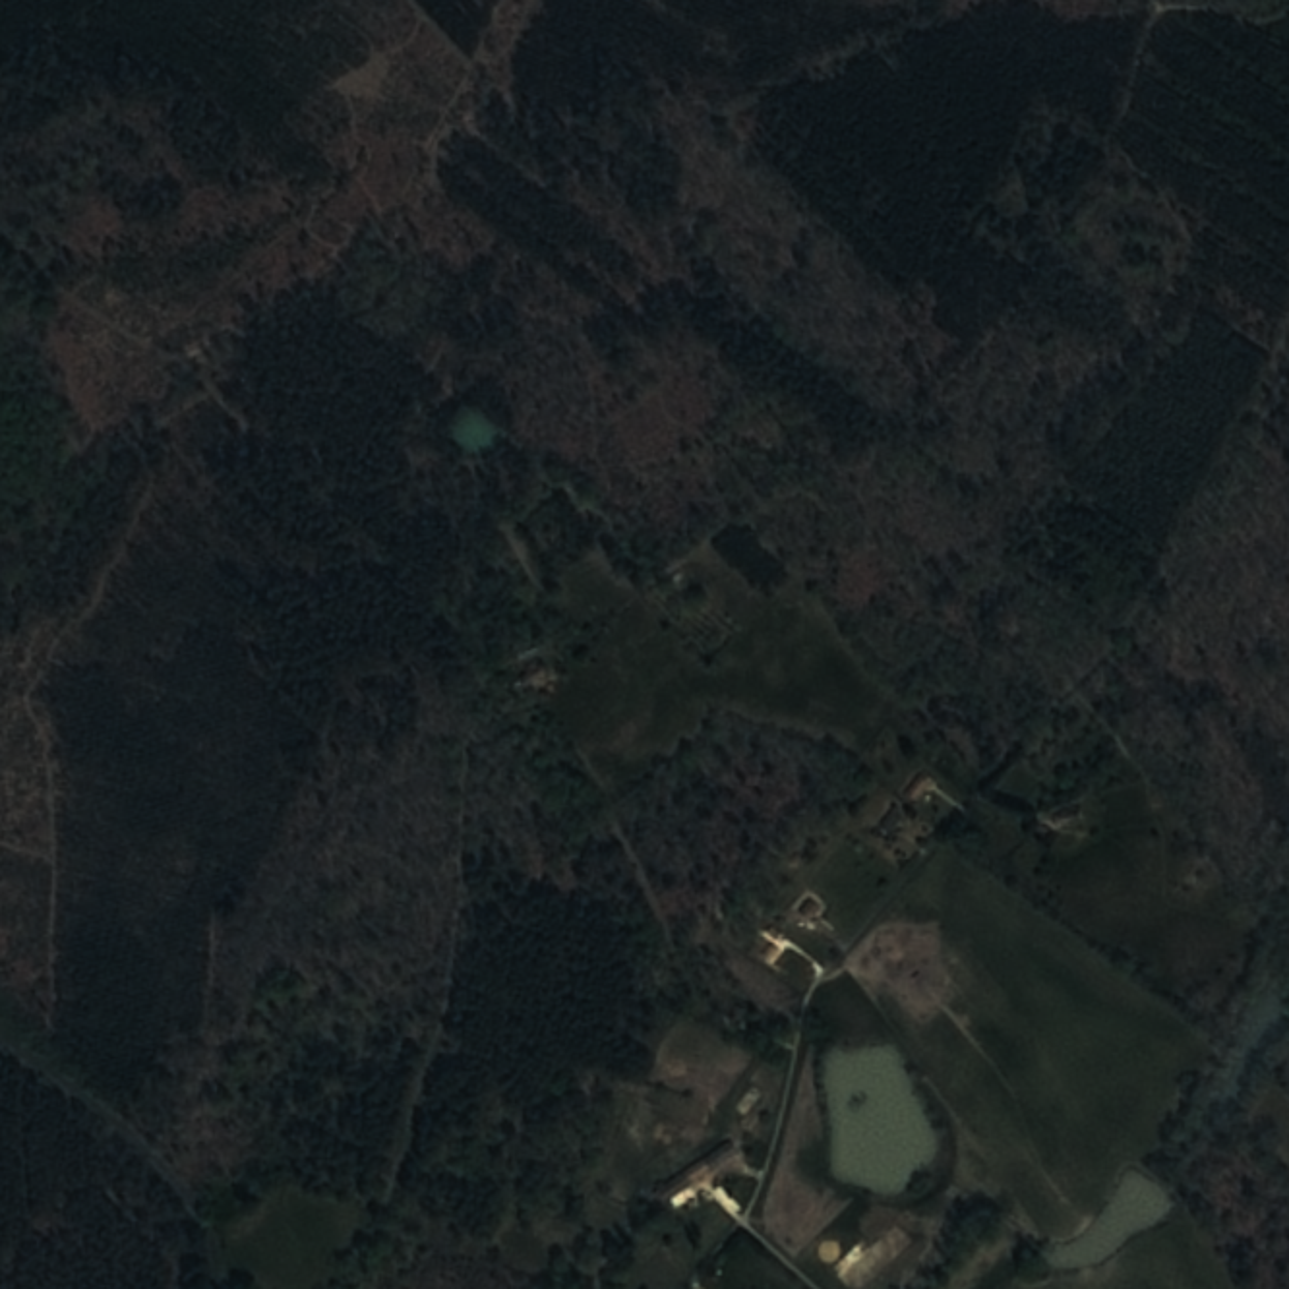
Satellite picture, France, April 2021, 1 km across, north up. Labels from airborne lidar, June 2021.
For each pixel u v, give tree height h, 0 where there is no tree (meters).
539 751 9
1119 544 16
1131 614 14
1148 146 7
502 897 19
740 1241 8
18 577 21
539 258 15
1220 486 16
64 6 11
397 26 9
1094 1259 0
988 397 11
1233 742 14
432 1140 20
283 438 16
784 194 15
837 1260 0
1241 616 11
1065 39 10
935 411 11
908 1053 0
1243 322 8
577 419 9
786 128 9
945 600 20
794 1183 0
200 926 7
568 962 21
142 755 8
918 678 18
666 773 13
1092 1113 0
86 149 7
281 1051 7
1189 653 13
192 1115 10
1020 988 0
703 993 14
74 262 17
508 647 14
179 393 13
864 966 0
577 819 17
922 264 9
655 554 8
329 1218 0
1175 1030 0
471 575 9
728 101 13
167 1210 23
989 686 16
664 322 20
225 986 6
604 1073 13
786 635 0
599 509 15
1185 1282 0
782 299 16
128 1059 12
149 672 6
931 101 9
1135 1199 0
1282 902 12
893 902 0
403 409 17
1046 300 22
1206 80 9
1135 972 12
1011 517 6
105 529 20
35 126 9
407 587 18
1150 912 0
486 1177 15
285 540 23
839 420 21
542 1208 19
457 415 13
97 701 9
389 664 21
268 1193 17
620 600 0
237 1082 11
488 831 11
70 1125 18
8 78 18
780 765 9
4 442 28
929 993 0
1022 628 13
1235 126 8
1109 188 17
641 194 21
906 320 7
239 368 8
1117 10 8
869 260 11
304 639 24
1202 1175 15
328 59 7
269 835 7
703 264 11
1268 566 16
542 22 7
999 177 7
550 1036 23
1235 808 16
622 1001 24
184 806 8
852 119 10
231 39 9
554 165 22
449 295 11
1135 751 17
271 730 8
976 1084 0
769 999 0
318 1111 19
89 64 7
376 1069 7
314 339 19
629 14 6
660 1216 16
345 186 10
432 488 10
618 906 11
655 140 17
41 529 24
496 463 13
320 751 16
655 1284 0
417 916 13
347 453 18
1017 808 14
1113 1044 0
